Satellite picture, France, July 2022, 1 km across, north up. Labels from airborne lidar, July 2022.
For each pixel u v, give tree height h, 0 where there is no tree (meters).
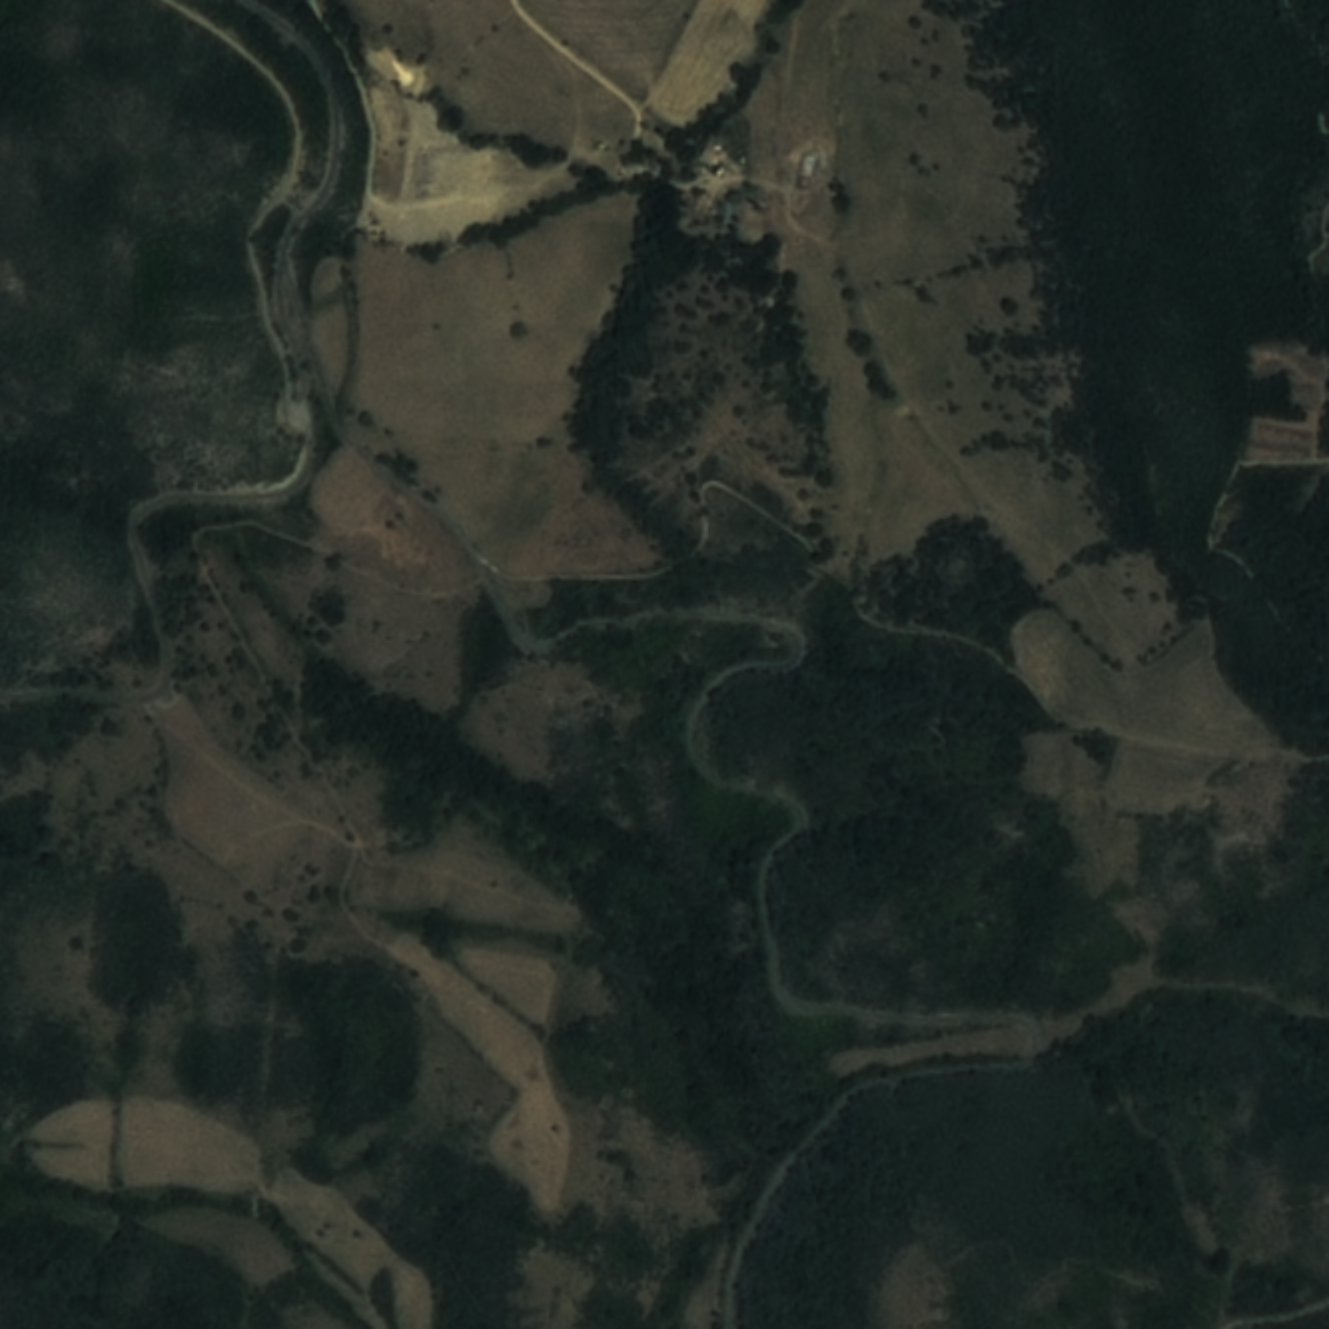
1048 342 6
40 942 0
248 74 6
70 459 7
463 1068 0
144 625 11
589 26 0
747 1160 6
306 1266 6
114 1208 11
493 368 0
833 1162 10
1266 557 7
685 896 8
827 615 6
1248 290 5
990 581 6
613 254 0
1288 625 7
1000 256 8
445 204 0
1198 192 7
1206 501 8
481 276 0
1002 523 0
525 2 0
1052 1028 0
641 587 7
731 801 12
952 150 0
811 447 6
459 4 0
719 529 0
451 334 0
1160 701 0
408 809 7
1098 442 8
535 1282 0
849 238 0
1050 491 0
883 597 7
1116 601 0
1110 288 6
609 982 7
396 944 0
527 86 0
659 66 0
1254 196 7
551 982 0
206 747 0
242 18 6
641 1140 0
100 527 9
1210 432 6
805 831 8
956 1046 0
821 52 0
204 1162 0
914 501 0
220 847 0
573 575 0
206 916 0
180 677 7
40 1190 6
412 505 0
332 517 0
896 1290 0
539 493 0
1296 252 9
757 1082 6
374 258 0
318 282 0
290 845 0
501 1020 0
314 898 10
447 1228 9
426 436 0
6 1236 11
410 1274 0
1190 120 6
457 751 15
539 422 0
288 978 7
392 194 0
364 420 9
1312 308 11
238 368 0
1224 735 0
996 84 6
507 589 0
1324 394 0
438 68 0
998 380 6
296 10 7
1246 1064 0
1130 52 6
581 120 0
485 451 0
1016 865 13
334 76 8
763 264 10
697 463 0
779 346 7
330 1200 0
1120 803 0
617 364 9
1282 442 0
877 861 9
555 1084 0
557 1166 0
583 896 8
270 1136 0
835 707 6
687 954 15
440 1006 0
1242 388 8
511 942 0
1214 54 7
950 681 7
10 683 7
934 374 0
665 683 9
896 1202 6
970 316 0
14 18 6
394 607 0
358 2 0
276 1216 6
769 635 7
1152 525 6
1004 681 8
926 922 6
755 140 0
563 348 0
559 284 0
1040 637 0
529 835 6
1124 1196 10
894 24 0
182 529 10
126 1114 0
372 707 12
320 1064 7
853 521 0
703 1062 7
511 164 0
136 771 0
